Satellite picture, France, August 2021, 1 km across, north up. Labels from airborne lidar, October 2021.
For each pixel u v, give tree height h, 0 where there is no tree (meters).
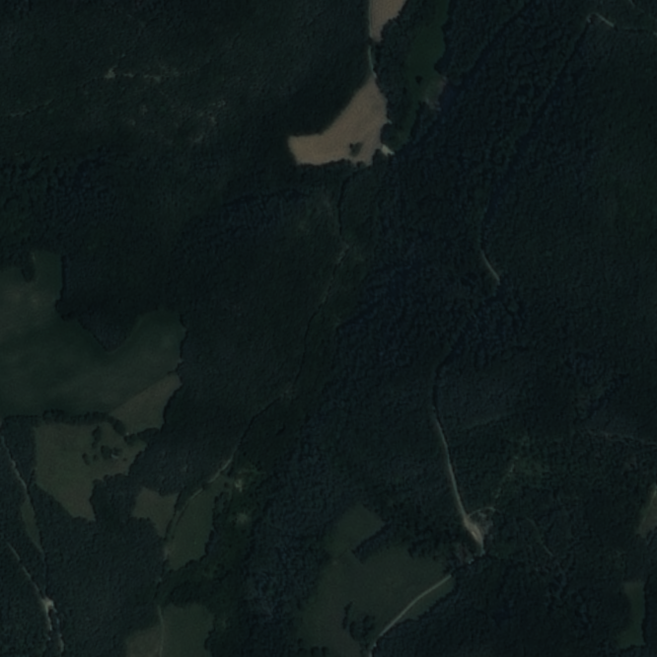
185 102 6
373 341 15
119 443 0
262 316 20
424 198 15
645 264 7
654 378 21
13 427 16
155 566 9
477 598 17
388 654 11
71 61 11
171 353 0
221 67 12
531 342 26
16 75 12
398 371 25
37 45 17
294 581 17
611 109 18
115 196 21
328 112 22
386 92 14
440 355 21
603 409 20
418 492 13
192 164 9
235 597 8
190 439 14
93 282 25
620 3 19
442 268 21
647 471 11
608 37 13
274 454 16
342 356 15
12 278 0
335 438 19
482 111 27
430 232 22
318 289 16
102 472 0
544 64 25
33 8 20
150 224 19
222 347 17
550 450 13
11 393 0
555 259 15
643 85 20
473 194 16
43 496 13
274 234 15
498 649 17
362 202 16
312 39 11
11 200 25
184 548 0
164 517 0
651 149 17
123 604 9
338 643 0
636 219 20
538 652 17
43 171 30
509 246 15
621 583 13
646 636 13
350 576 0
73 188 17
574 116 27
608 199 6
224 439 9
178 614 0
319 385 16
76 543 12
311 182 15
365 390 15
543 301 17
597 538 8
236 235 22
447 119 17
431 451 17
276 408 19
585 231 18
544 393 19
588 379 23
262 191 19
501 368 18
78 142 19
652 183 18
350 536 0
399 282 13
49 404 0
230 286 21
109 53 11
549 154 19
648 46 15
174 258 26
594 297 15
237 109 13
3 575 14
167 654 0
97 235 26
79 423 7
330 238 17
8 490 9
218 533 18
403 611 0
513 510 7
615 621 15
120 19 11
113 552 14
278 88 10
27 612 10
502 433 10
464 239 11
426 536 13
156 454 12
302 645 10
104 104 11
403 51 20
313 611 0
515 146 15
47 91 14
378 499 16
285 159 24
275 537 7
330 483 11
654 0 19
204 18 27
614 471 14
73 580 11
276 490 14
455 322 20
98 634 7
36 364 0
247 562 7
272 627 21
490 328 28
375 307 9
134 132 10
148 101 16
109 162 24
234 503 7
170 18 23
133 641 0
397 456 12
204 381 13
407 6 10
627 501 16
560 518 14
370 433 13
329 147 0
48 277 0
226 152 18
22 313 0
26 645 12
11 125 12
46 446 0
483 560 17
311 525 14
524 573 19
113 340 19
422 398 15
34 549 15
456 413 12
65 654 14
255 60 11
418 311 23
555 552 12
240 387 16
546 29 21
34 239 15
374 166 9
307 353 14
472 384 14
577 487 13
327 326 19
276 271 23
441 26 0
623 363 22
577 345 24
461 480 10
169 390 0
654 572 15
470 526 0
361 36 11
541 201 20
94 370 0
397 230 11
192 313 15
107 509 14
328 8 15
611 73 19
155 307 14
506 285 19
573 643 20
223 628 7
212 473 8
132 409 0
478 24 19
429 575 0
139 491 9
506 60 26
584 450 16
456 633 24
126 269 19
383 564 0
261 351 15
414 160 21
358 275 19
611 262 12
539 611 29
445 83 0
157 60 8
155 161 6
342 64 18
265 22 16
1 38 11
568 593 18
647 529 0
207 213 27
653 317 11
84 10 17
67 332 0
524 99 27
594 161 7
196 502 0
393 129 21
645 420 17
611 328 19
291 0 12
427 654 14
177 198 14
